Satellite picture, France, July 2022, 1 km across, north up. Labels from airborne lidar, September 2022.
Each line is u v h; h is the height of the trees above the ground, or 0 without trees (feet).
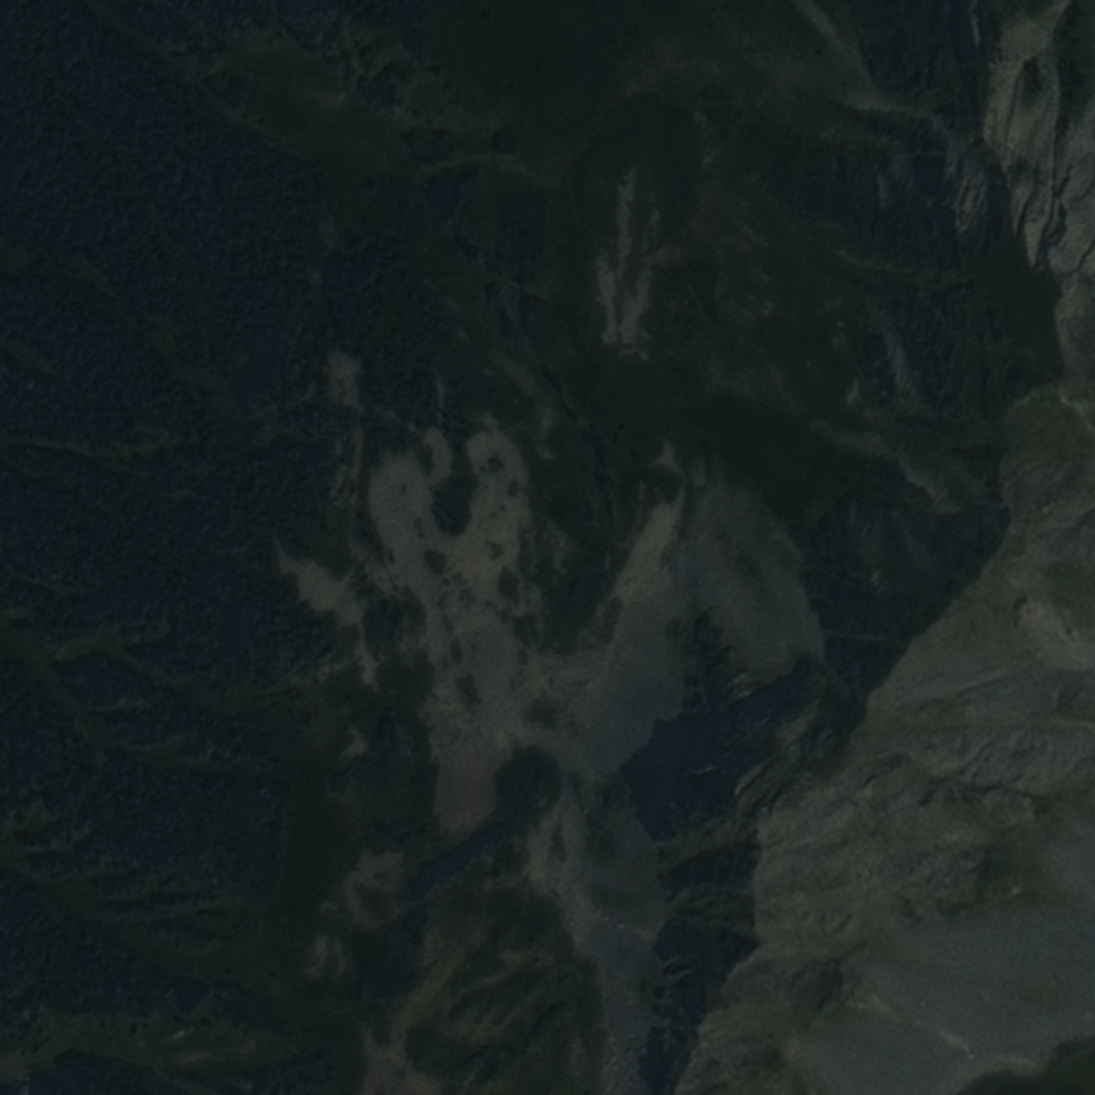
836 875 0
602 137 0
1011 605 0
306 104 0
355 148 0
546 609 0
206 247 25
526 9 0
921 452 0
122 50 46
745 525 0
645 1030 0
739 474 0
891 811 0
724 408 0
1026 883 0
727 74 0
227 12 32
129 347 44
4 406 57
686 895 0
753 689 0
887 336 0
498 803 0
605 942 0
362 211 0
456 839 0
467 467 0
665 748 0
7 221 56
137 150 44
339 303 29
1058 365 0
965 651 0
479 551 0
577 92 0
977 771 0
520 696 0
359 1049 0
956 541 0
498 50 0
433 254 0
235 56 0
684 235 0
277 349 26
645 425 0
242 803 0
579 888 0
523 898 0
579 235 0
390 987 0
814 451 0
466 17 0
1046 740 0
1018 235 0
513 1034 0
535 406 0
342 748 0
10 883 35
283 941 0
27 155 87
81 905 0
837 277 0
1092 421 0
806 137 0
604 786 0
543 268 0
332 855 0
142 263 29
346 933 0
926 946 0
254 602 24
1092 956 0
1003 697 0
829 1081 0
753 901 0
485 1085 0
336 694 0
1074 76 22
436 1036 0
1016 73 0
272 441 0
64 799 28
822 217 0
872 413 0
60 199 92
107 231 80
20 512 30
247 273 32
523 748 0
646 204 0
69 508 33
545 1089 0
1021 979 0
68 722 25
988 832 0
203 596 37
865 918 0
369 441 0
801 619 0
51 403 50
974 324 0
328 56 21
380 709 0
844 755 0
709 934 0
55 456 33
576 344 0
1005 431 0
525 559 0
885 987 0
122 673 30
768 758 0
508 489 0
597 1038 0
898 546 0
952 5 0
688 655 0
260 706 0
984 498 0
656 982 0
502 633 0
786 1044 0
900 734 0
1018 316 0
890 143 0
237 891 0
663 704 0
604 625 0
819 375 0
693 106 0
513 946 0
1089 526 0
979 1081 0
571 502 0
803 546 0
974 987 0
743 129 0
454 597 0
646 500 0
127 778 28
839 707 0
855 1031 0
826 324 0
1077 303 0
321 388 22
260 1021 0
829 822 0
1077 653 0
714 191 0
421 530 0
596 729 0
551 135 0
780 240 0
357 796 0
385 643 0
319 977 0
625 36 0
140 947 0
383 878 0
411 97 0
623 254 0
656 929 0
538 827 0
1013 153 0
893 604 0
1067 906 0
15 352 0
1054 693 0
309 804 0
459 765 0
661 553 0
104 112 27
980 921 0
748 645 0
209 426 36
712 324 0
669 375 0
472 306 0
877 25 0
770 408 0
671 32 0
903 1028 0
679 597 0
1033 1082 0
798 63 0
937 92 0
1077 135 0
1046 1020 0
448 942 0
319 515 26
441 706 0
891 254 0
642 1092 0
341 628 0
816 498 0
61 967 0
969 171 0
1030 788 0
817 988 0
